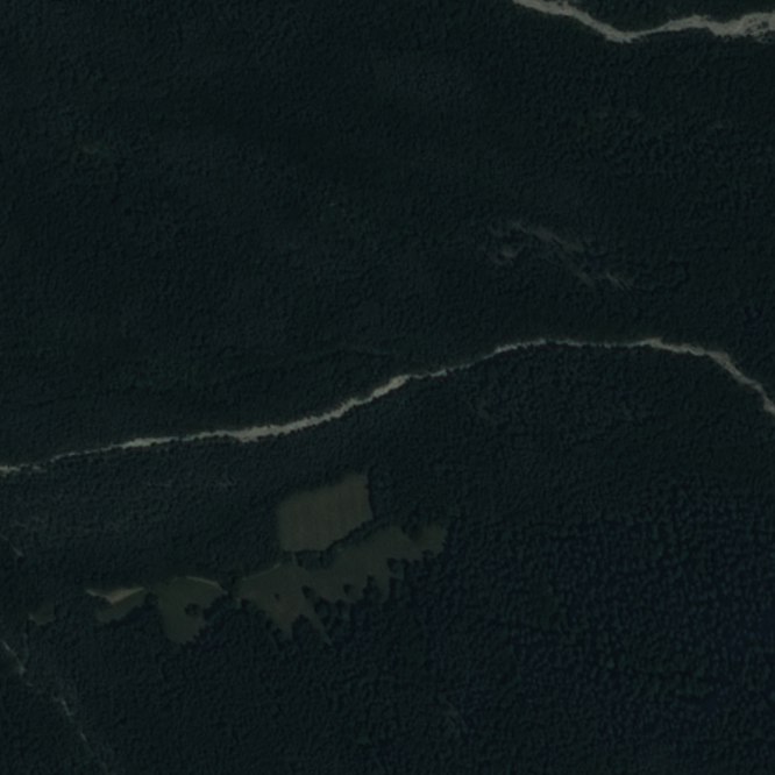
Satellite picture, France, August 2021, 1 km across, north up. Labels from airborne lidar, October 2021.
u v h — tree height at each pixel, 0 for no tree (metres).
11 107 14
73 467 20
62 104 18
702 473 21
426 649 19
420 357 13
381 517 15
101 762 7
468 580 28
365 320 18
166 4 15
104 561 17
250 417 15
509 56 16
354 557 0
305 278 17
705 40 11
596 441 18
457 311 20
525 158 12
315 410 12
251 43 17
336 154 20
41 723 22
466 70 18
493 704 27
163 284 22
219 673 24
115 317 23
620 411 26
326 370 17
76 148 6
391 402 9
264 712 25
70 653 21
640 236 20
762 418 24
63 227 26
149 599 14
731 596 23
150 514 13
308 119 14
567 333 18
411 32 13
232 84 19
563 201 14
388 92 22
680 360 14
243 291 17
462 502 23
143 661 22
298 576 0
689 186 21
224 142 14
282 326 20
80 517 13
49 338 16
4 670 21
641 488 27
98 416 17
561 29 14
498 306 22
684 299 23
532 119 23
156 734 24
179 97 18
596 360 20
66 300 18
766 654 11
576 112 20
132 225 21
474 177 15
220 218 14
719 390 17
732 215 15
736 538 24
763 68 14
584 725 29
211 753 24
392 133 17
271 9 15
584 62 19
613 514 30
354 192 20
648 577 29
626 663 34
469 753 28
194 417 15
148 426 15
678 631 23
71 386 17
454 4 15
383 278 17
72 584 19
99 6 18
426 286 19
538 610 33
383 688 29
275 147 20
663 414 22
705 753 28
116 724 21
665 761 27
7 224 18
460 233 19
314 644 22
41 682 10
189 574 17
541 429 23
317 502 0
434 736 27
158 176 17
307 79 18
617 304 19
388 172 17
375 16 19
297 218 20
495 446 17
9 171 24
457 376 11
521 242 23
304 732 25
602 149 11
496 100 22
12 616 13
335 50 20
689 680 27
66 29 12
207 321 17
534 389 23
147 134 21
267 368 15
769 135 13
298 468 12
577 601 28
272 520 17
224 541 22
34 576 14
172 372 15
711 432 17
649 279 23
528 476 15
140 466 13
